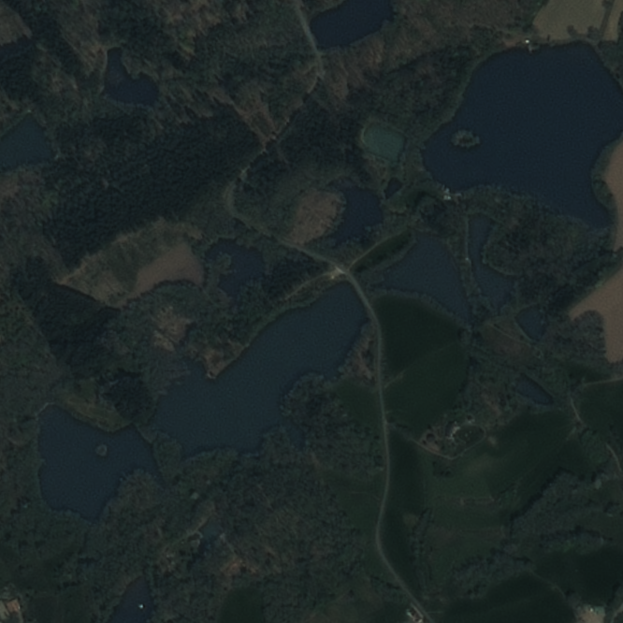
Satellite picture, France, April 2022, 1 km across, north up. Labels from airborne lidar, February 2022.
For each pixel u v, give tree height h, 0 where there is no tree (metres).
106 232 32
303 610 14
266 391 0
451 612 0
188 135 26
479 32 18
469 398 24
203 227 26
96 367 16
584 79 0
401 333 0
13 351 27
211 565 23
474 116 0
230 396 0
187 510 20
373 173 13
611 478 23
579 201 0
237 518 22
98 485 0
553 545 25
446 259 0
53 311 28
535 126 0
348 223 0
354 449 24
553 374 16
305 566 20
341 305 0
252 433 0
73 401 0
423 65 20
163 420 0
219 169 30
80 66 23
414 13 22
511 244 12
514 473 0
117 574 21
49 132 16
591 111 0
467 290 13
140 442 0
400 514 0
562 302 18
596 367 22
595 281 17
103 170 21
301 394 23
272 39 0
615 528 0
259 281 13
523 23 26
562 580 0
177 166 29
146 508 21
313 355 0
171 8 26
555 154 0
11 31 0
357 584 0
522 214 19
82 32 27
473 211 24
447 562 0
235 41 14
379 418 0
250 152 23
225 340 21
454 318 13
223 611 0
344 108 20
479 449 0
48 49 22
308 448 18
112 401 28
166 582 21
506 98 0
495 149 0
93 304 30
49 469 0
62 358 31
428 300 16
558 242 24
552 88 0
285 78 20
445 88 28
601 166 19
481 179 0
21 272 21
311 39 0
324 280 0
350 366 23
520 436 0
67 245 28
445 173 0
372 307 0
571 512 20
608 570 0
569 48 0
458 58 24
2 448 17
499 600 0
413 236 9
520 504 0
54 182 25
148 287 0
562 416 0
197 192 31
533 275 22
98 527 22
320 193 0
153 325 9
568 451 0
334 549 15
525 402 15
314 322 0
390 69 19
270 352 0
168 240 0
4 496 7
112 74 0
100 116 15
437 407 0
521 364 0
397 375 0
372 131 0
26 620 12
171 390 0
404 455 0
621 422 0
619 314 0
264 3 19
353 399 0
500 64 0
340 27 0
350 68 20
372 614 0
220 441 0
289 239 0
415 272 0
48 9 25
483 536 0
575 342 22
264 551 23
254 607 0
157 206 32
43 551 20
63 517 19
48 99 19
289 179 28
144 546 21
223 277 0
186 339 7
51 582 0
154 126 22
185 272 0
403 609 0
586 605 0
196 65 24
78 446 0
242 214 18
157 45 21
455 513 0
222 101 0
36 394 17
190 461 20
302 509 25
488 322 21
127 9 25
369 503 0
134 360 12
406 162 12
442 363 0
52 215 27
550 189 0
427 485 0
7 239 27
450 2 11
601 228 0
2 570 0
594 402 0
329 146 23
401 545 0
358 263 0
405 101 26
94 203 29
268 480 24
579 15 0
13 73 16
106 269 0
